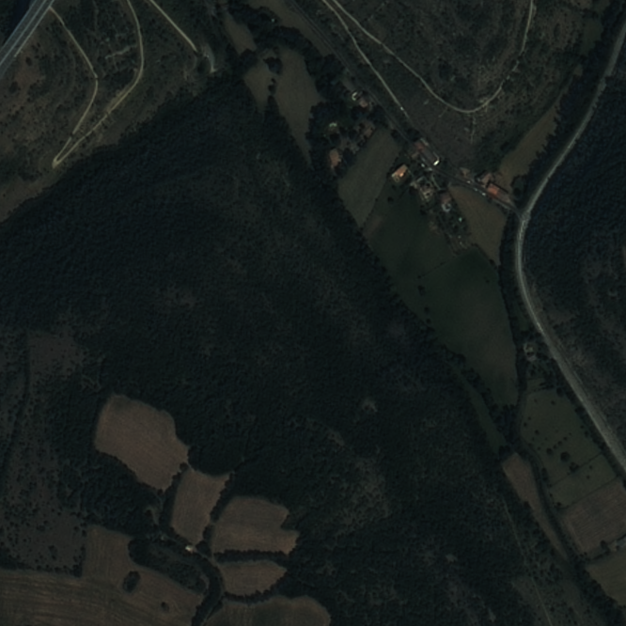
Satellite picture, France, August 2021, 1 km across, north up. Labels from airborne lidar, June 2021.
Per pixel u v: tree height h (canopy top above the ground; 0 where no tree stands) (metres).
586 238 6
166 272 6
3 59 0
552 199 6
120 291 7
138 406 0
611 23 18
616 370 8
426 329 14
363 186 0
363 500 6
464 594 7
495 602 9
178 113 13
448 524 10
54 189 12
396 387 6
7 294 6
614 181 10
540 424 0
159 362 9
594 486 0
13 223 15
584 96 30
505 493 13
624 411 6
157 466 0
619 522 0
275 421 9
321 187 20
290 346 6
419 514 11
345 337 9
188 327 7
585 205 9
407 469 9
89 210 6
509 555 6
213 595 12
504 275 19
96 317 6
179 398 8
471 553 10
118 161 10
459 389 15
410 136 12
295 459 13
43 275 7
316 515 9
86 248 7
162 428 0
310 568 8
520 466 0
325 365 13
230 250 7
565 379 12
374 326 7
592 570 0
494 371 0
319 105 0
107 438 0
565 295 9
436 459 7
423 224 0
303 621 0
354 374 11
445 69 12
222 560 10
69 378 6
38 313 6
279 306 9
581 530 0
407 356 13
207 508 0
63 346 0
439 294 0
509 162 0
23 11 5
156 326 6
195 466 15
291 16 0
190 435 8
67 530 0
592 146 7
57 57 6
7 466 8
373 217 0
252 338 11
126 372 11
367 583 7
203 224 7
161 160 7
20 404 8
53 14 0
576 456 0
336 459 10
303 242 8
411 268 0
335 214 19
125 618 0
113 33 9
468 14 6
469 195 0
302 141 0
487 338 0
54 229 12
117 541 0
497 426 10
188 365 10
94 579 0
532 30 9
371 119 15
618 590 0
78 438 7
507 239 11
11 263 7
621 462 0
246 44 0
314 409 9
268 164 7
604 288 10
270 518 0
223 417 9
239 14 27
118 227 8
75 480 7
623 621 27
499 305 0
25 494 7
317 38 0
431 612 8
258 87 0
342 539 10
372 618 7
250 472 13
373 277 10
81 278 7
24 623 0
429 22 0
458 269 0
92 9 6
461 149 0
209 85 15
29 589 0
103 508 11
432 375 11
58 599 0
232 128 6
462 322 0
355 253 15
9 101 0
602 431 0
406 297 0
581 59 8
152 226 7
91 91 0
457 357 16
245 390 15
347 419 11
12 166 6
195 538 0
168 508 12
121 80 7
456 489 7
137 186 8
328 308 7
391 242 0
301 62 0
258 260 7
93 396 11
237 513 0
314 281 7
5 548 6
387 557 7
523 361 7
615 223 6
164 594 0
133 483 13
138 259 6
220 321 6
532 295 0
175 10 7
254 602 13
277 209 9
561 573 5
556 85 7
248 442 8
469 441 7
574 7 7
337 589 8
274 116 16
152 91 8
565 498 0
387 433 10
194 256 6
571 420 0
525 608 9
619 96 7
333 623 6
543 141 0
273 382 9
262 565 0
